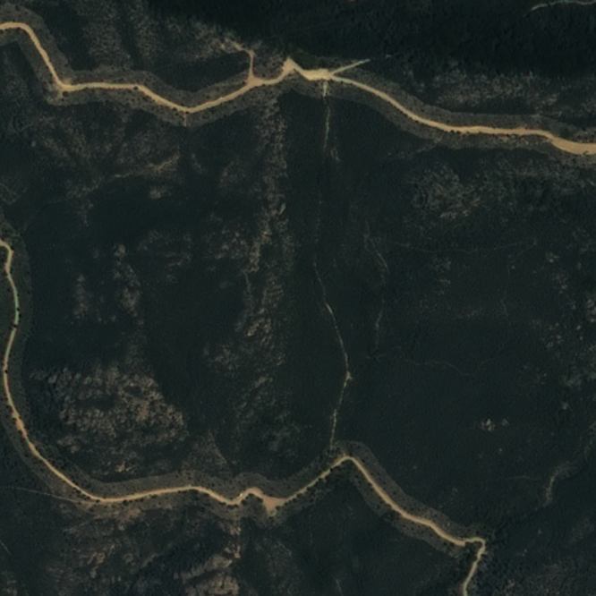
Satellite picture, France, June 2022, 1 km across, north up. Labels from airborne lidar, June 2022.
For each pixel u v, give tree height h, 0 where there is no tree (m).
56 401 10
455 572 8
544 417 8
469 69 8
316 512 6
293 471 6
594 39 19
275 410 8
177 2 20
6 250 9
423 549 5
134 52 6
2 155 6
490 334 6
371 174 7
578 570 9
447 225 11
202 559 10
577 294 6
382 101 0
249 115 6
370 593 6
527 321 6
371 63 7
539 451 6
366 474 0
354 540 7
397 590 6
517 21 12
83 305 0
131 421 7
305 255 5
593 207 7
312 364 5
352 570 6
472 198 7
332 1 13
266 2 11
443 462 6
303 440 7
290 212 5
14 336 0
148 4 7
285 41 24
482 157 6
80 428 7
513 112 7
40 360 7
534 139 0
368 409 5
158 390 6
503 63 22
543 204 14
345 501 7
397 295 6
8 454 12
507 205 6
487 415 5
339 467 6
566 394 9
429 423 6
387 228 6
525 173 8
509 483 5
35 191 6
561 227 7
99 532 0
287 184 6
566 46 16
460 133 10
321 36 6
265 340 6
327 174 7
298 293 6
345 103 6
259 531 6
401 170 5
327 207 5
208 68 6
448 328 6
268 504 0
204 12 19
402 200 6
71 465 8
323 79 0
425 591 8
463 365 5
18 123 7
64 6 7
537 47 19
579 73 15
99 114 5
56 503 0
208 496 7
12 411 6
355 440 7
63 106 5
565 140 0
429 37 20
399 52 20
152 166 0
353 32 7
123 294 7
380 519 7
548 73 17
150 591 10
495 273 6
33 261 6
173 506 0
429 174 7
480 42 16
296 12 8
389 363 6
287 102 7
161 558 10
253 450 7
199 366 6
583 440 5
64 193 6
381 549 7
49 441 9
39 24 0
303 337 6
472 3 6
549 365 6
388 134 7
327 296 5
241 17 21
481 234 6
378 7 12
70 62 6
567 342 6
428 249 6
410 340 9
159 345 6
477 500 5
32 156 7
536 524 6
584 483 6
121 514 0
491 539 11
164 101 0
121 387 0
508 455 6
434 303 6
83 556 0
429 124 0
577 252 7
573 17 13
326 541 6
